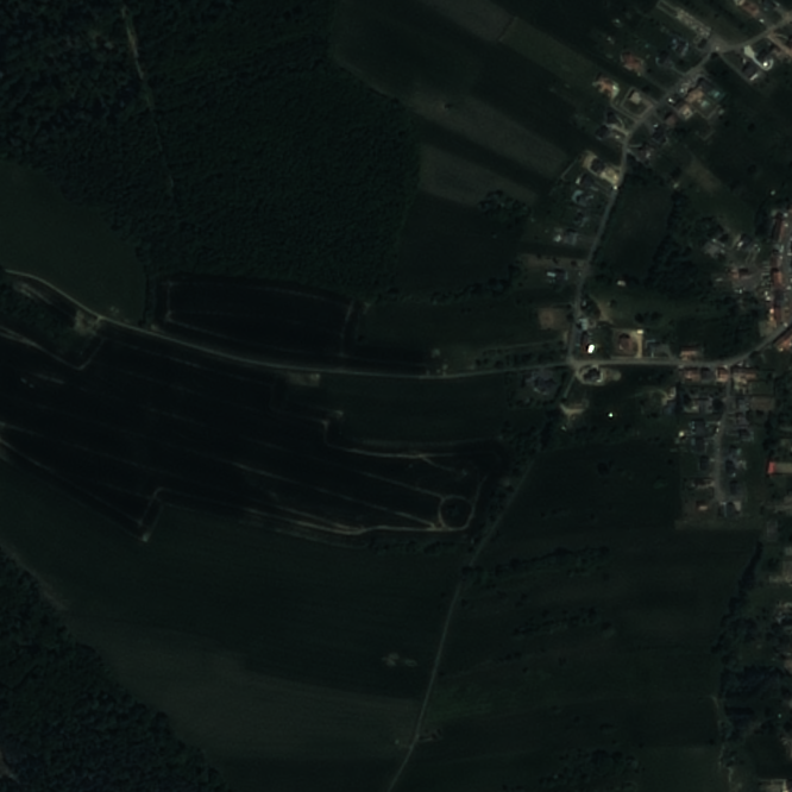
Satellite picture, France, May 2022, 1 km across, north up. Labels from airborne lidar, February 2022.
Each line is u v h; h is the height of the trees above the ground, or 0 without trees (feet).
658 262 46
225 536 0
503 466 0
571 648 0
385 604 0
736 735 35
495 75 0
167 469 0
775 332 0
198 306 0
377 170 47
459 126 0
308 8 44
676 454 0
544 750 0
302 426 0
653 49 0
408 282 0
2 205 0
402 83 0
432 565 0
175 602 0
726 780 0
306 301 0
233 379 0
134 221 70
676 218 47
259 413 0
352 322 0
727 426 0
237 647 0
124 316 0
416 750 0
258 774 0
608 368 0
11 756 59
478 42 0
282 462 0
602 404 0
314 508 0
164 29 68
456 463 0
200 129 70
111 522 0
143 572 0
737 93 0
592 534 0
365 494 0
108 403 0
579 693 0
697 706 0
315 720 0
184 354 0
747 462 0
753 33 0
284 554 0
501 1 0
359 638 0
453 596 0
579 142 0
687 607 0
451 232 0
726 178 0
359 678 0
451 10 0
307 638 0
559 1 0
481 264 0
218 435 0
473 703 0
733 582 0
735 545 0
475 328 0
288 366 0
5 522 0
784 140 0
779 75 0
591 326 0
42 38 121
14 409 0
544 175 0
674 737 0
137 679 0
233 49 45
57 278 0
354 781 0
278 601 0
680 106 0
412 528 0
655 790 0
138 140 66
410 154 49
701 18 0
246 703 0
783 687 21
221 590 0
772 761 0
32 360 0
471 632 0
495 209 41
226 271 56
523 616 0
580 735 0
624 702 0
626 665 0
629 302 0
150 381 0
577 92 0
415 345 0
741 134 0
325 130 52
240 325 0
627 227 0
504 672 0
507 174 0
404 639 0
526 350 0
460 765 0
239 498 0
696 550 0
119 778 65
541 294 0
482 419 0
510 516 0
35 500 0
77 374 0
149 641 0
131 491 0
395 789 0
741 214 0
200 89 34
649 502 0
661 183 51
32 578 48
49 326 22
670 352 0
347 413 0
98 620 0
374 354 0
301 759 0
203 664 0
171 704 0
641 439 0
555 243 0
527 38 0
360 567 0
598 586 0
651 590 0
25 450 0
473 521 0
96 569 0
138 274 0
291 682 0
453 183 0
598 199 0
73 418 0
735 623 39
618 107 0
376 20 0
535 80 0
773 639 43
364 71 0
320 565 0
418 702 0
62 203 0
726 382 0
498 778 0
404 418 0
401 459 0
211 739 0
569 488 0
